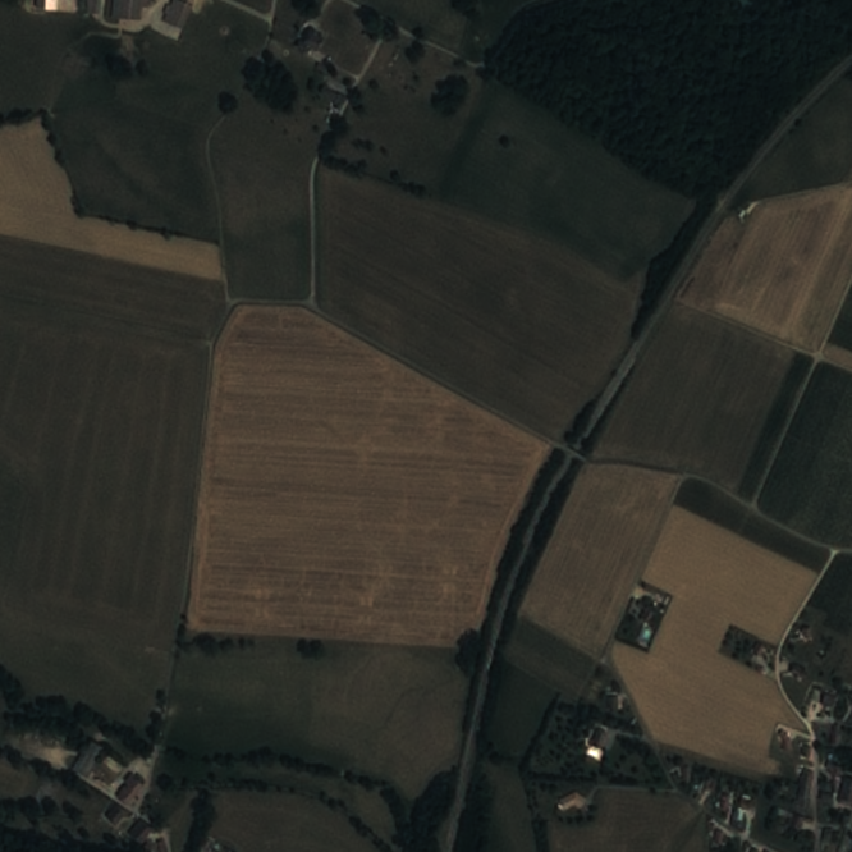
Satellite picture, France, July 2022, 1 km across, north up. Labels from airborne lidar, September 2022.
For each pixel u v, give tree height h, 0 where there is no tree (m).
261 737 0
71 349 0
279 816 0
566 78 25
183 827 0
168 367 0
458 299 0
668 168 22
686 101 21
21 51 0
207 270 0
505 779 0
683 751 0
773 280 0
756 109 24
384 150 9
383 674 0
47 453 0
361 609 0
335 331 0
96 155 0
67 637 0
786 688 0
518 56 20
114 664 0
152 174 0
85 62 0
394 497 0
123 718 0
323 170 0
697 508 0
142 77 11
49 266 0
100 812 0
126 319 0
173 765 0
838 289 0
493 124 0
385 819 0
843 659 0
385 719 0
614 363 0
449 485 0
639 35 32
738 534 0
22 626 0
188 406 0
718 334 0
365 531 0
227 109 15
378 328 0
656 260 7
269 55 14
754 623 0
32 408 0
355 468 0
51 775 19
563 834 0
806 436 0
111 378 0
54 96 0
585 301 0
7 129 0
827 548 0
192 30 0
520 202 0
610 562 0
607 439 0
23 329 0
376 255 0
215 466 0
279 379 0
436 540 0
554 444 0
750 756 0
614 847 0
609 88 18
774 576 0
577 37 19
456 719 0
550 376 0
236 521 0
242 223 0
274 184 0
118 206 0
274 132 0
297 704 0
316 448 0
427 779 0
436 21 0
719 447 0
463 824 15
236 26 0
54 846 17
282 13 0
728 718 0
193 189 0
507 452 0
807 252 0
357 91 10
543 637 0
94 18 0
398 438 0
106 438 0
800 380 0
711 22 24
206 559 0
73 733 13
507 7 0
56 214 0
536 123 0
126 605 0
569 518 0
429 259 0
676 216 0
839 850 0
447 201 0
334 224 0
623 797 0
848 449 0
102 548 0
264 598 0
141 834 0
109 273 0
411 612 0
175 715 0
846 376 0
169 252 0
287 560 0
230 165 0
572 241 0
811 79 6
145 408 0
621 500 0
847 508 0
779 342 0
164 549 0
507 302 0
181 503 0
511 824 0
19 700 16
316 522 0
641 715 0
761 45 24
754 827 0
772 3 22
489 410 0
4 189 0
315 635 0
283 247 0
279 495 0
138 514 0
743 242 0
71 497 0
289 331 0
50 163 0
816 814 0
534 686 0
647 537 0
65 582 0
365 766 0
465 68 11
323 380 0
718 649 0
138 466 0
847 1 23
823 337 0
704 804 0
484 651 12
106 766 0
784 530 0
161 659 0
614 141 20
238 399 0
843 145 0
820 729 0
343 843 0
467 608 0
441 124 0
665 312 0
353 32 0
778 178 0
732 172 17
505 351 0
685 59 23
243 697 0
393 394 0
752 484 0
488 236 0
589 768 0
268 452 0
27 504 0
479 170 0
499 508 0
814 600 0
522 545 14
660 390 0
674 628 0
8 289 0
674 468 0
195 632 0
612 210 0
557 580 0
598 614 0
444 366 0
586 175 0
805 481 0
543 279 0
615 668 0
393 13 0
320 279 0
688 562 0
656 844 0
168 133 0
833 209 0
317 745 0
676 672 0
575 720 7
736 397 0
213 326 0
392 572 0
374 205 0
